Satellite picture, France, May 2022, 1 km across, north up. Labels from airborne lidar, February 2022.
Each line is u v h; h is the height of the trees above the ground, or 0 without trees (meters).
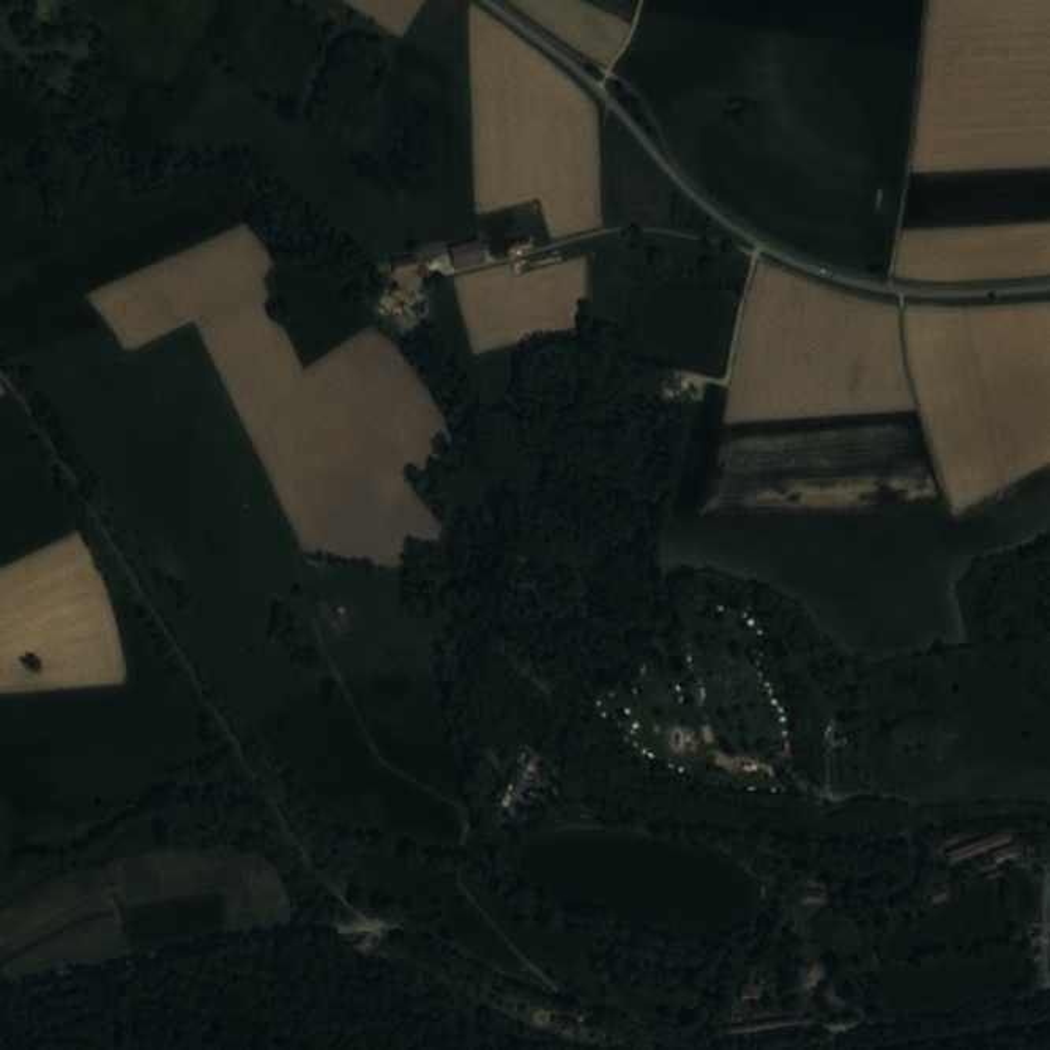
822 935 0
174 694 0
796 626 27
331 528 0
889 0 0
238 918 0
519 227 0
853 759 0
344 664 0
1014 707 0
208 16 0
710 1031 16
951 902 0
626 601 30
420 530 0
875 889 12
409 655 0
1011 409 0
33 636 0
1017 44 0
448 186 0
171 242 0
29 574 0
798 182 0
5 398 0
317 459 0
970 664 0
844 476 0
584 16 0
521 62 0
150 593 16
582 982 0
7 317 0
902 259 0
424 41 0
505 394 0
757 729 0
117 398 0
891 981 0
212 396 0
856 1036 13
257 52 0
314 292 0
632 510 24
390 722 0
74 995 26
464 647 9
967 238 0
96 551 17
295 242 9
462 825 0
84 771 0
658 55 0
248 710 0
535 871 0
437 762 0
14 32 15
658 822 13
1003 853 0
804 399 0
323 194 0
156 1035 28
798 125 0
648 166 0
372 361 0
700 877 0
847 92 0
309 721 0
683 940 18
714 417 0
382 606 0
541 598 25
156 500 0
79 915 0
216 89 0
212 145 0
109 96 0
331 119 0
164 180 14
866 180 0
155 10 0
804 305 0
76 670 0
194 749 0
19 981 0
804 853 23
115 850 0
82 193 6
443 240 0
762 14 0
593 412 27
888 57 0
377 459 0
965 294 0
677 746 0
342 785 0
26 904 0
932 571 0
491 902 0
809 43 0
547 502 20
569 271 0
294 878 20
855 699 24
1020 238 0
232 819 27
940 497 0
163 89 0
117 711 0
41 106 12
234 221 0
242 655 0
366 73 18
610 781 16
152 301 0
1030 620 0
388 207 0
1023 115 0
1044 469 0
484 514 0
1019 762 0
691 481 0
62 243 0
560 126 0
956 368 0
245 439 0
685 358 0
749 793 8
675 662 6
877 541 0
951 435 0
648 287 0
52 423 23
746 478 0
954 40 0
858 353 0
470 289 0
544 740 19
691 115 0
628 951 23
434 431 0
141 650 0
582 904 0
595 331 19
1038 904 0
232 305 0
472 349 0
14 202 0
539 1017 0
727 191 0
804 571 0
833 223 0
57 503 0
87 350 0
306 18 13
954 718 0
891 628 0
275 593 0
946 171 0
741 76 0
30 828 0
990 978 0
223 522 0
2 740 0
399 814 0
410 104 0
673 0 0
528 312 0
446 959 17
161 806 31
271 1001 29
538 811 16
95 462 0
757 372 0
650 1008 0
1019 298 0
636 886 0
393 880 0
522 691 13
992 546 0
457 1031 29
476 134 0
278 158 0
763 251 0
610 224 0
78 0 0
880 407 0
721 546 0
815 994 9
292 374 0
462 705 24
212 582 0
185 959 20
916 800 0
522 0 0
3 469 0
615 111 0
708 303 0
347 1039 31
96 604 0
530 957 0
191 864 0
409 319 0
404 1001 25
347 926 0
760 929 8
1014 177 0
